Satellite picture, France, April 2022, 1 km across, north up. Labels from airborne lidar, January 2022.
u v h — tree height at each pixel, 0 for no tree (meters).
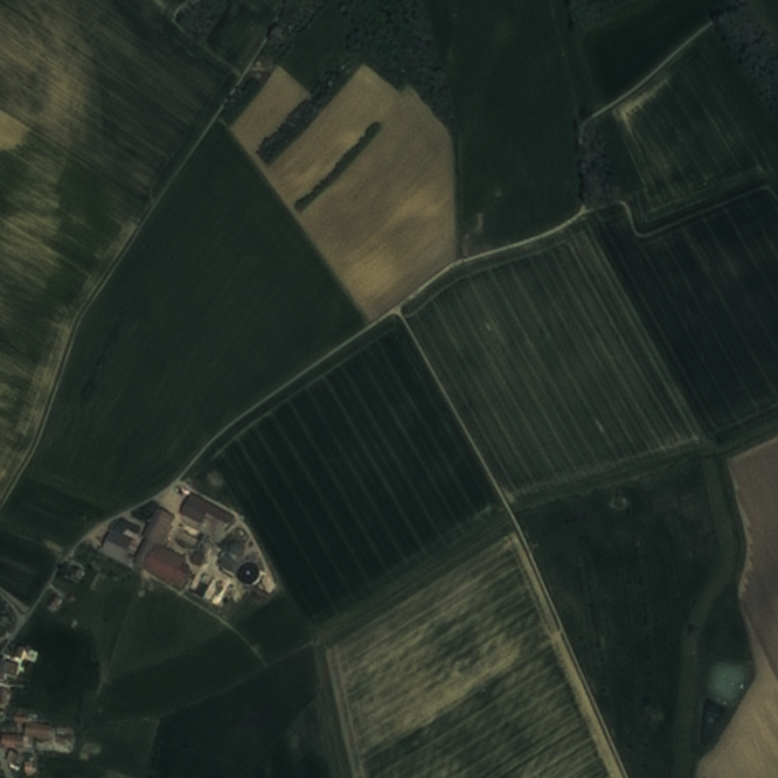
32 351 0
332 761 0
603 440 0
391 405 0
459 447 0
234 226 0
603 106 0
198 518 0
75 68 0
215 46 0
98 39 0
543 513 0
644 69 0
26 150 0
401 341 0
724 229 0
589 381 0
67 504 0
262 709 0
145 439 0
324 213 0
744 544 0
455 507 0
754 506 0
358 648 0
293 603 0
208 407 0
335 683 0
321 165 0
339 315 0
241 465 0
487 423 0
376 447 0
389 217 0
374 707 0
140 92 0
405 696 0
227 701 0
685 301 0
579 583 0
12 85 0
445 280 0
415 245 0
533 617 0
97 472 0
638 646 0
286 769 0
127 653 0
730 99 0
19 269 0
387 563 0
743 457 0
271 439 0
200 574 0
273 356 0
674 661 0
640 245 0
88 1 0
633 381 0
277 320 0
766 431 0
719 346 0
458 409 0
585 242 0
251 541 0
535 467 0
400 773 0
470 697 0
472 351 0
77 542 0
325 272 0
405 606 0
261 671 0
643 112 0
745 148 0
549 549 0
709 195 0
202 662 0
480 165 0
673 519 0
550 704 0
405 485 0
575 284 0
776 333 0
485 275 0
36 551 0
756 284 0
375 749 0
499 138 0
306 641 0
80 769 0
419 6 20
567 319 0
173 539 0
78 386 0
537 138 0
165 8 0
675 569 0
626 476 0
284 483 0
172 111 0
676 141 0
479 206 0
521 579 0
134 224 0
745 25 23
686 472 0
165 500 0
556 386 0
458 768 0
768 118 0
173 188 0
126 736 0
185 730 0
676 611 0
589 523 0
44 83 0
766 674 0
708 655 0
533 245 0
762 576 0
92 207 0
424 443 0
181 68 0
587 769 0
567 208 0
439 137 0
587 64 0
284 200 0
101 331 0
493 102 0
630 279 0
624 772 0
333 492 0
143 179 0
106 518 0
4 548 0
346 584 0
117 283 0
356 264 0
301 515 0
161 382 0
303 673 0
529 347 0
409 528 0
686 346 0
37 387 0
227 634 0
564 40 0
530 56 0
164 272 0
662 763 0
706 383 0
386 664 0
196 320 0
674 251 0
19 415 0
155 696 0
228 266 0
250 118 0
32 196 0
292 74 0
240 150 0
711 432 0
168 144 0
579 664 0
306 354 0
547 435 0
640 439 0
